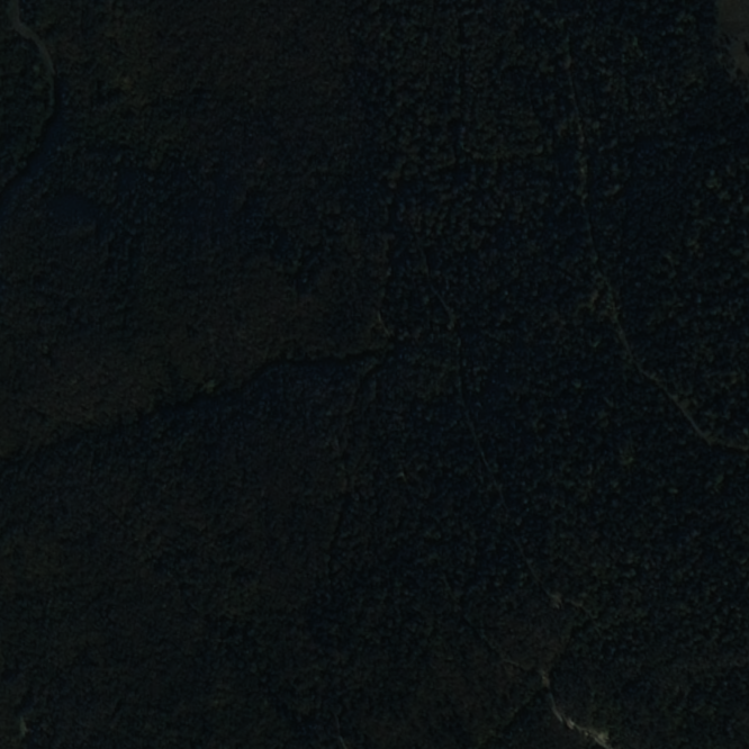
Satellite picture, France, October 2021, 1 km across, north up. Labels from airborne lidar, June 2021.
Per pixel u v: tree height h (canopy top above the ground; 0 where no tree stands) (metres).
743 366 22
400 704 13
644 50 19
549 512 22
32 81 18
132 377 19
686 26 12
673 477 17
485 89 26
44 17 23
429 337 22
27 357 21
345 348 26
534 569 15
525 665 13
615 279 12
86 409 19
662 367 15
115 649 29
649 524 15
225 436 23
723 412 31
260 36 20
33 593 25
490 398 21
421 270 21
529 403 23
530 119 23
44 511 20
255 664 25
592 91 14
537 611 12
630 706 18
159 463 28
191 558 22
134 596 17
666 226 18
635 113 14
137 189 29
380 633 21
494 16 25
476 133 24
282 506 23
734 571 16
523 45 25
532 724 22
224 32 19
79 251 19
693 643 12
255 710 24
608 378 20
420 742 14
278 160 18
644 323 18
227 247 19
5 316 22
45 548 26
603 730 10
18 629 24
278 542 23
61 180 29
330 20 18
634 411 17
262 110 19
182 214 23
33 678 21
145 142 29
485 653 16
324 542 24
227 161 18
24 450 26
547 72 12
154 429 27
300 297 25
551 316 24
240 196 22
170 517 18
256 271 22
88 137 25
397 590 22
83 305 17
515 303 21
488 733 14
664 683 14
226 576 25
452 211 26
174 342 25
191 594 22
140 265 24
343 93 16
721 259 15
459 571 24
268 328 20
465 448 25
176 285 21
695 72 13
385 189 18
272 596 19
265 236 20
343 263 25
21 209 19
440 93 22
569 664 21
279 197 23
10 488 26
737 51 0
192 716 27
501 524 24
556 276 21
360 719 20
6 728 23
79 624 26
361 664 16
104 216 16
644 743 16
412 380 21
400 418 25
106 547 22
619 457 20
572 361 18
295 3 15
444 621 24
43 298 24
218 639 17
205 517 23
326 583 16
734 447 15
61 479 11
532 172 18
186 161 29
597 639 17
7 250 21
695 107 18
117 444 26
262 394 36
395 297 23
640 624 9
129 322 15
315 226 21
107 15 23
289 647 20
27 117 17
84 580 27
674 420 10
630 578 14
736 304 18
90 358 17
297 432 20
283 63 14
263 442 21
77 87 24
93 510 16
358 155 17
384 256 13
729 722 24
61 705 15
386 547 22
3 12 11
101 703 16
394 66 26
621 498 12
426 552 22
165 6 22
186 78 24
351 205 24
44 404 14
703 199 17
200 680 21
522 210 21
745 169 16
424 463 19
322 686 23
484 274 22
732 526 17
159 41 21
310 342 27
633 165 12
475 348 18
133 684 24
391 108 23
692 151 16
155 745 27
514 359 19
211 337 17
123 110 24
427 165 27
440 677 16
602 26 22
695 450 20
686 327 15
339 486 25
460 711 18
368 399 20
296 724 18
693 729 24
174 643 23
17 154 21
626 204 16
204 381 25
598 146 17
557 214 15
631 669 17
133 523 23
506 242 24
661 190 15
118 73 26
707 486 18
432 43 25
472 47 26
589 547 19
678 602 15
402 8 23
